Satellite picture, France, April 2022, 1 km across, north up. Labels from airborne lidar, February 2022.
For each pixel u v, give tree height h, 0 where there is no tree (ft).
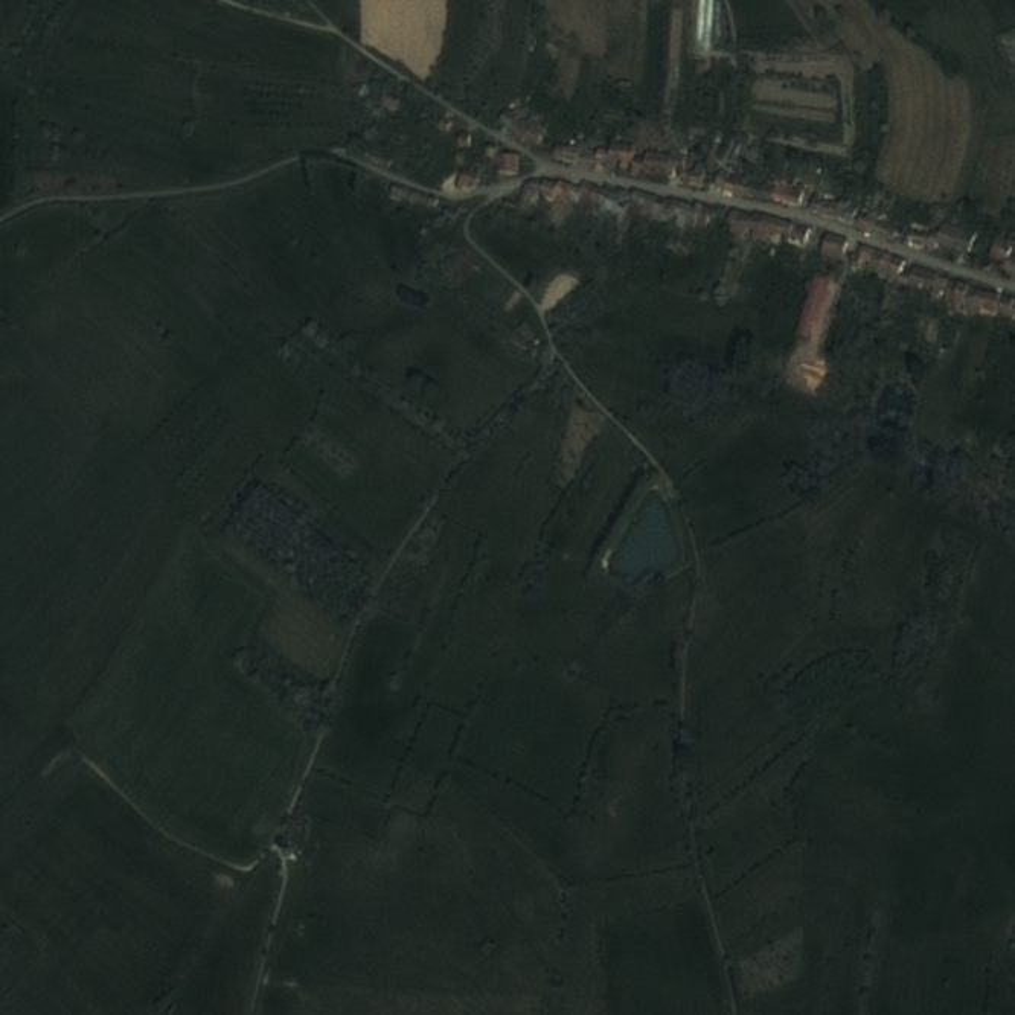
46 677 0
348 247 0
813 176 0
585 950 0
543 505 0
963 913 0
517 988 0
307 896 0
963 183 0
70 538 0
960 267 0
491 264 0
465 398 0
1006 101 0
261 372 0
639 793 0
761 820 0
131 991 0
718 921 0
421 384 55
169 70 0
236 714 0
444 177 0
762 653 0
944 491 93
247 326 0
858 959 0
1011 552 0
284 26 0
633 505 58
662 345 0
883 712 0
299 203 0
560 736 0
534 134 0
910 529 0
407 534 0
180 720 0
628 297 0
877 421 65
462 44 0
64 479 0
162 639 0
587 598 0
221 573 0
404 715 0
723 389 69
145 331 0
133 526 0
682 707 0
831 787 0
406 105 36
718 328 0
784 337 0
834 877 0
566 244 0
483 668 0
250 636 0
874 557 0
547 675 0
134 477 0
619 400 0
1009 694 0
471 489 0
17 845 0
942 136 0
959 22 0
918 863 0
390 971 0
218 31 0
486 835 0
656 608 0
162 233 0
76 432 0
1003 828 0
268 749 0
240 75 0
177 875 0
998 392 0
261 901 0
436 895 0
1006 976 0
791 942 0
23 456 0
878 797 0
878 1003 0
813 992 0
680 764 21
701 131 0
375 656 0
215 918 0
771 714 0
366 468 0
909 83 0
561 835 0
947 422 0
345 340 32
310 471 0
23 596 0
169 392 0
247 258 0
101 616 0
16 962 0
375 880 0
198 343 0
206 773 0
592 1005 0
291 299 0
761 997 0
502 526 0
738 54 45
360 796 0
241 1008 0
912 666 25
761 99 0
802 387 0
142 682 0
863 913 0
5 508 0
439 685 0
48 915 0
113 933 0
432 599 0
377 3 0
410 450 0
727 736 0
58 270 0
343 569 74
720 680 0
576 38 30
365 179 33
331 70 0
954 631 0
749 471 0
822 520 0
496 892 0
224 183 0
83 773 0
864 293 20
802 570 0
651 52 0
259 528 76
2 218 0
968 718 0
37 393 0
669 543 0
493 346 0
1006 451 25
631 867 0
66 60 0
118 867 0
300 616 0
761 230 0
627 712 20
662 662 0
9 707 0
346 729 0
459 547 0
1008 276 25
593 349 0
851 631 0
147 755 0
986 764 0
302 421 0
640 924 0
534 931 0
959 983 0
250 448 0
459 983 0
